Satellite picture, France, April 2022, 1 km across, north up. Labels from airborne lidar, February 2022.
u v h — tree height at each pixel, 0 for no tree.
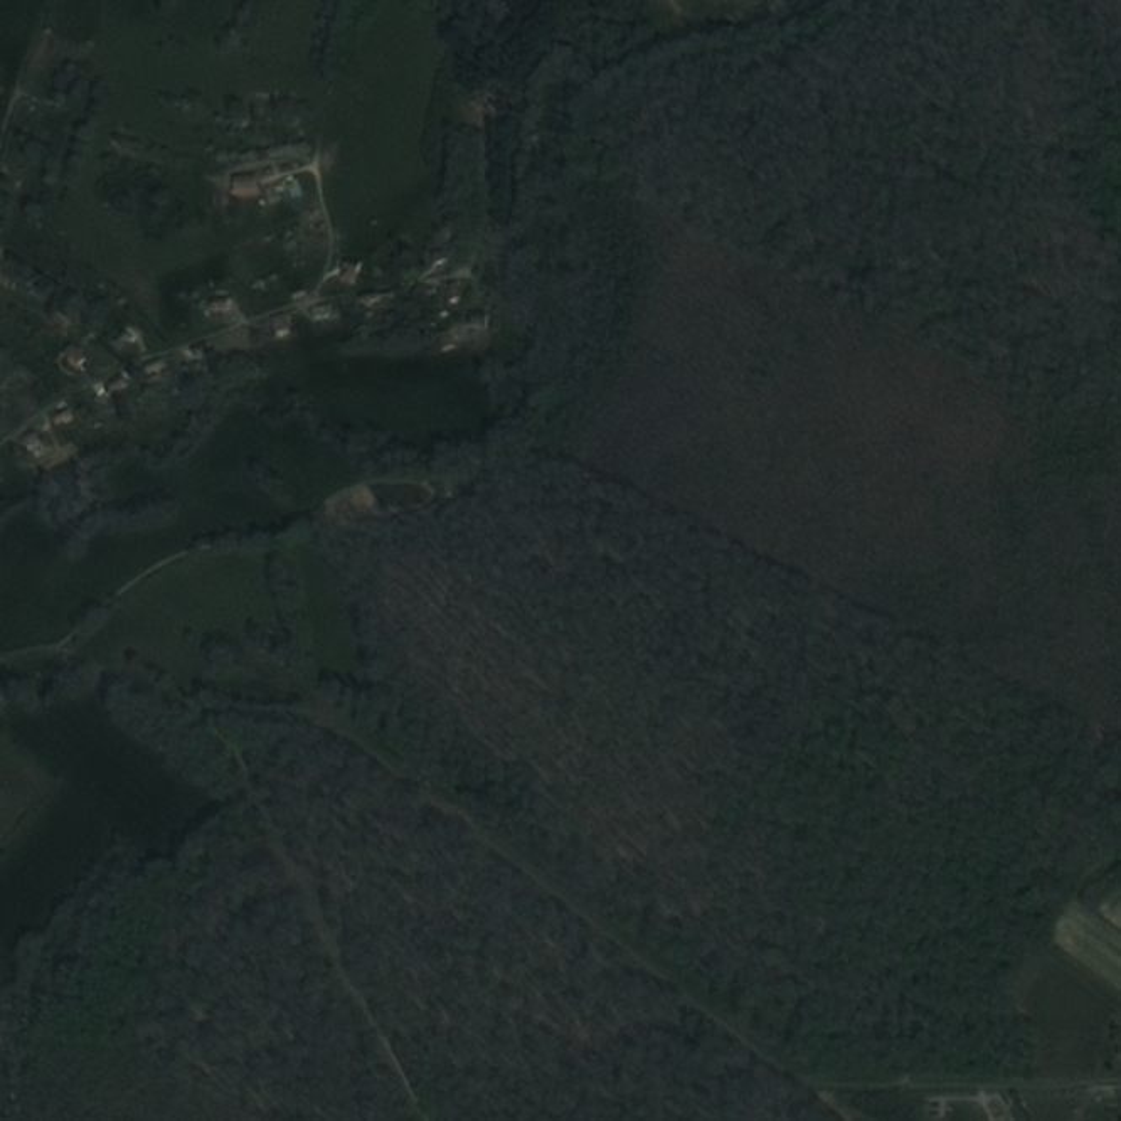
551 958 31
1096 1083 0
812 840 26
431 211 0
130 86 0
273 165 0
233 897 28
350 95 0
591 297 24
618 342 21
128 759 0
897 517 15
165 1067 23
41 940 20
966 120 28
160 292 0
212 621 0
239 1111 13
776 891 25
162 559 0
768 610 27
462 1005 27
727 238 26
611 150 19
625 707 27
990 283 26
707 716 29
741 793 30
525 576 27
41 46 0
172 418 0
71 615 0
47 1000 21
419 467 11
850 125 27
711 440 13
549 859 28
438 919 28
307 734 30
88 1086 13
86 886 8
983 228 26
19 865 0
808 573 13
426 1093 28
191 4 0
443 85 7
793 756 27
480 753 26
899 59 27
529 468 21
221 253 0
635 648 26
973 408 14
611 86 33
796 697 29
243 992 29
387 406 0
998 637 15
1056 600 15
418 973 28
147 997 22
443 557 26
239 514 0
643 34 14
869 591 16
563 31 23
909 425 13
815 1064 22
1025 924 21
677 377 14
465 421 0
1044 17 27
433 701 25
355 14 16
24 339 0
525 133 17
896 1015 26
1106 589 16
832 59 26
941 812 25
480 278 18
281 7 0
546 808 36
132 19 0
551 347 25
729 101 28
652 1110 30
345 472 0
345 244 0
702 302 14
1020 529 14
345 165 0
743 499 15
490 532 30
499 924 27
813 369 13
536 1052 29
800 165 27
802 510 14
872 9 30
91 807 0
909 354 15
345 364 0
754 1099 30
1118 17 24
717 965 15
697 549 28
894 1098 11
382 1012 24
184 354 0
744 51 25
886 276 24
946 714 32
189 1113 14
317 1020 25
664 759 27
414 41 0
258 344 12
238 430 0
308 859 27
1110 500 15
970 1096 0
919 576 15
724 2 0
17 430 0
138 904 26
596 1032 31
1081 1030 0
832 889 26
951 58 26
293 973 29
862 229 30
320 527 22
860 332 14
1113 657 14
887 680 30
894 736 28
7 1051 15
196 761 28
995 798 29
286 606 24
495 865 30
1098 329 30
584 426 15
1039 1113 0
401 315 7
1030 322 27
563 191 28
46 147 10
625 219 18
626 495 21
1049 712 19
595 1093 29
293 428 0
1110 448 14
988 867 26
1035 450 14
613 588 28
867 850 30
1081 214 27
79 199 0
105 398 0
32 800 0
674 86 25
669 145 28
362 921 27
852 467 14
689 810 28
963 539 15
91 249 0
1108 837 29
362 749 0
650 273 16
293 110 18
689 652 27
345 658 0
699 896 28
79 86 12
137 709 26
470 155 29
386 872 26
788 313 13
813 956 28
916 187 31
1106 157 27
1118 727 17
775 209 27
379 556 25
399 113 0
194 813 0
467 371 0
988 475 16
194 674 0
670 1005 28
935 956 28
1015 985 25
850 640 28
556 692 29
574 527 29
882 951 27
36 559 0
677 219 12
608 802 28
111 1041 16
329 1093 29
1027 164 26
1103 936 0
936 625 16
